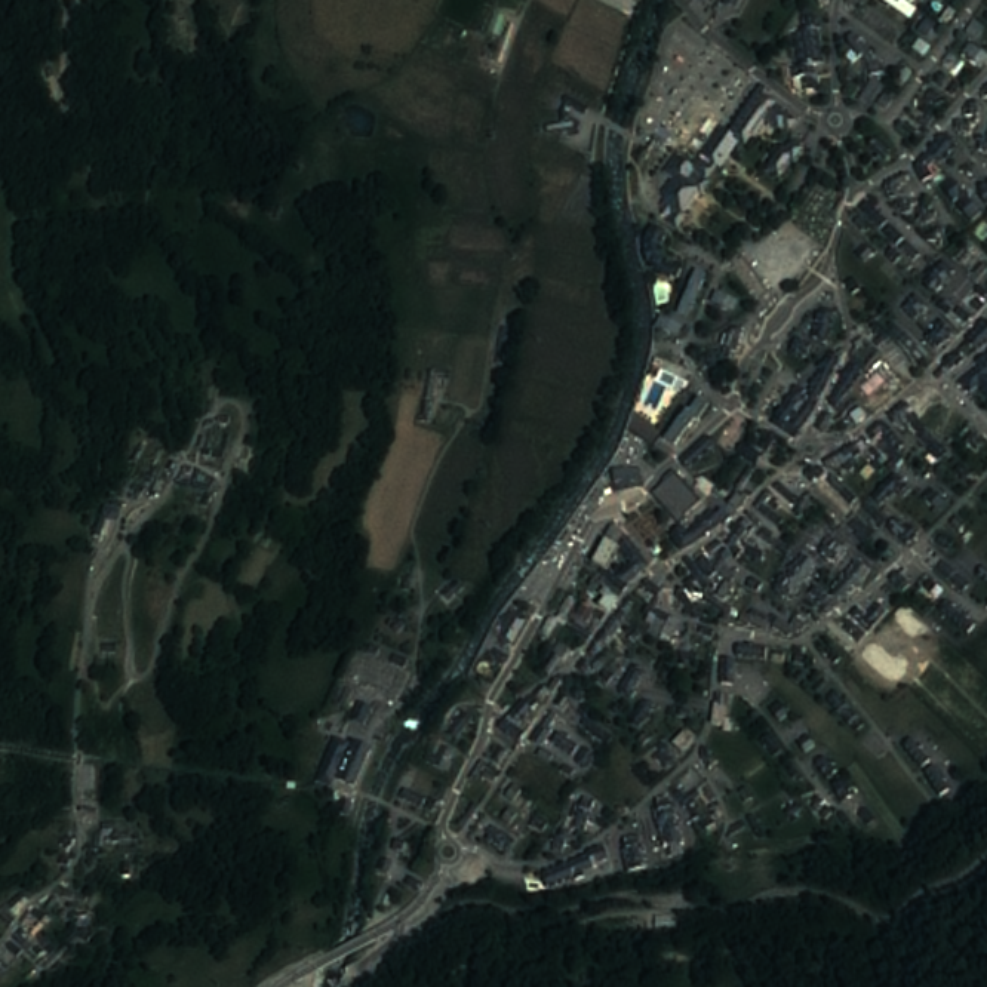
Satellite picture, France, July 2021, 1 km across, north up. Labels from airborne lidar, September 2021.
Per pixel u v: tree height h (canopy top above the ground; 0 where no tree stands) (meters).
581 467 8
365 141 0
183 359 15
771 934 8
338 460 0
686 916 21
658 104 0
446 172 0
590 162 0
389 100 0
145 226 20
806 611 8
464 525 17
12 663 12
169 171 25
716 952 11
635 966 34
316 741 0
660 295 0
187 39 0
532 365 0
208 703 25
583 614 0
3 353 12
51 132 22
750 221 10
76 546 19
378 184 21
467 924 16
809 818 0
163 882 26
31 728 23
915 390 0
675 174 0
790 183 11
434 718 28
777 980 14
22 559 10
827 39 5
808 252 0
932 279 0
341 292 19
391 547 0
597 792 0
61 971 6
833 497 0
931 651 0
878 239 6
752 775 0
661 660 9
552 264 0
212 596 0
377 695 0
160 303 17
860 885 27
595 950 28
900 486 0
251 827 22
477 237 0
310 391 17
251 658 21
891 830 0
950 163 8
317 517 18
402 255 0
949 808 30
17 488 16
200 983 0
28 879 9
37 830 18
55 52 22
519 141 0
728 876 0
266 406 18
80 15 26
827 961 11
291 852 25
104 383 18
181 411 10
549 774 0
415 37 0
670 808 0
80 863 9
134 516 0
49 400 16
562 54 0
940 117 14
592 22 0
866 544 11
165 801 20
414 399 0
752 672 0
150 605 0
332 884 10
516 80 0
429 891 0
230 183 6
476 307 0
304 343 21
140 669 0
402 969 16
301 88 0
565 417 0
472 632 9
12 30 20
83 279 31
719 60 0
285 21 0
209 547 6
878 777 0
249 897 19
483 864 0
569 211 0
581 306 0
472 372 0
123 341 19
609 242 16
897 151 0
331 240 24
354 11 0
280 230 0
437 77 0
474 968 24
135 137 23
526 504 0
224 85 23
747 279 0
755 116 0
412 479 0
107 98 19
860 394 0
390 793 0
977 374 0
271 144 15
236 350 17
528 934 11
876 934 7
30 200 22
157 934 26
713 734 0
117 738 0
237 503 15
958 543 6
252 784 20
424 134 0
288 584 0
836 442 0
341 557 29
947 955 25
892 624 0
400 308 0
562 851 0
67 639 0
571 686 10
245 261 0
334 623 32
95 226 26
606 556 0
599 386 0
